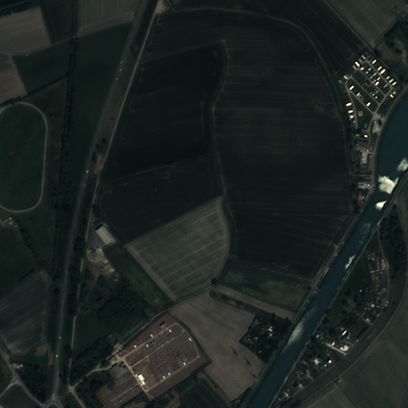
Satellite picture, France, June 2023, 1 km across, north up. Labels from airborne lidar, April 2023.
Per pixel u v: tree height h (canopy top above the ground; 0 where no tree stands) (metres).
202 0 0
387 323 0
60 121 0
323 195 0
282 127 0
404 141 0
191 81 0
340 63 0
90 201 0
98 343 15
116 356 0
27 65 0
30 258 0
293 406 9
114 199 0
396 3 0
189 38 0
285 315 0
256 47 0
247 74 0
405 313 0
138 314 0
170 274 0
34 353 0
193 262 0
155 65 0
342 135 0
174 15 0
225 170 0
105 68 0
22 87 0
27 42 0
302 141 0
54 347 0
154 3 0
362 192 6
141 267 0
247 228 0
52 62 0
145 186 0
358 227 0
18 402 0
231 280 0
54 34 0
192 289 0
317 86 0
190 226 0
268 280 0
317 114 0
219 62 0
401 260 12
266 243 0
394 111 0
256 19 0
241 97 0
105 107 0
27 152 0
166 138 0
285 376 0
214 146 0
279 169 0
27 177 0
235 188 0
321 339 0
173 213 0
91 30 0
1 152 0
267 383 0
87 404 8
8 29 0
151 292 0
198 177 0
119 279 0
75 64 5
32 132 0
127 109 0
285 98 0
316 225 0
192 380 0
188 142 0
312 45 0
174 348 0
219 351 0
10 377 0
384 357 0
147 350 0
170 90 0
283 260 0
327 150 0
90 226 0
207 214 0
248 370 0
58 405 0
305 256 0
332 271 0
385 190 0
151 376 0
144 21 0
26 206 0
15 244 0
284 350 0
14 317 0
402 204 0
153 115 0
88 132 0
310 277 0
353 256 0
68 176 0
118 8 0
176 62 0
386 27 0
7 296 0
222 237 0
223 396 0
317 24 0
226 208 0
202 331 0
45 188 0
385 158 0
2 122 0
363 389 0
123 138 0
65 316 0
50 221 0
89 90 0
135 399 11
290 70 0
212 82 0
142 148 0
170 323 0
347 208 0
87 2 0
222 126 0
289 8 0
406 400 0
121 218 0
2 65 0
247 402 0
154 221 0
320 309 0
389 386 0
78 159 0
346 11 0
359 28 0
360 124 0
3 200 0
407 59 0
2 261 0
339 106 0
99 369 0
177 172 0
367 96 0
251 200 0
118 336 0
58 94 0
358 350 0
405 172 0
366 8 0
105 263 0
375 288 0
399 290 0
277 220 0
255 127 0
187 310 0
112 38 0
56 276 13
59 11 0
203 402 0
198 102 0
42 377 20
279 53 0
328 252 0
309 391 0
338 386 0
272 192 0
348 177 0
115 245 0
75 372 14
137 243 0
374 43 0
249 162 0
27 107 0
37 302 0
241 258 0
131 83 0
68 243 0
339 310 0
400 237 15
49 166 0
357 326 0
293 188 0
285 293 0
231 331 0
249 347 10
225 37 0
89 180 0
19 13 0
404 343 0
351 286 0
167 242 0
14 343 0
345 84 0
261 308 0
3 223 0
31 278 0
